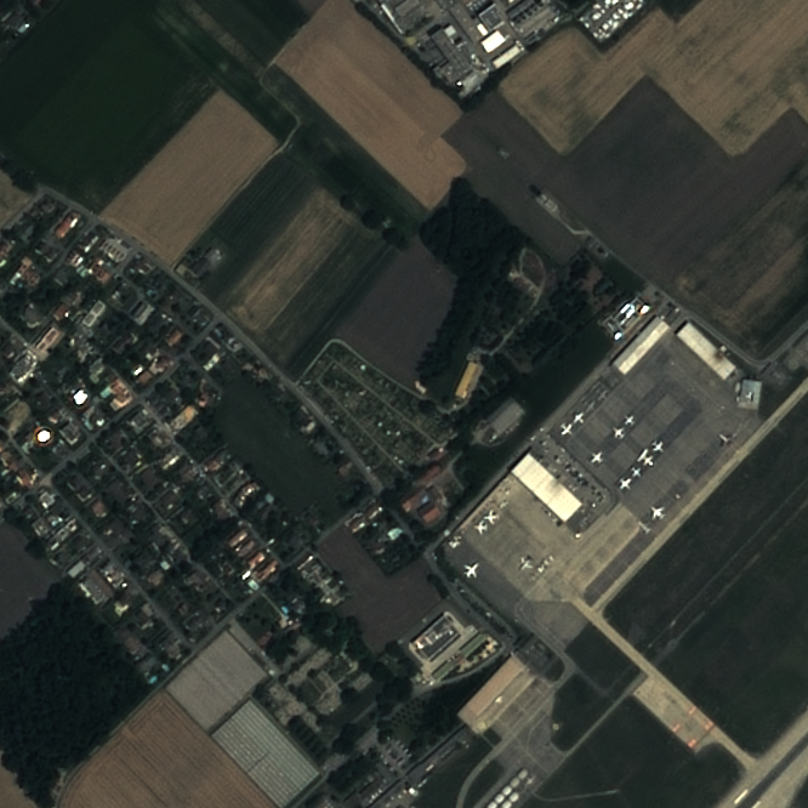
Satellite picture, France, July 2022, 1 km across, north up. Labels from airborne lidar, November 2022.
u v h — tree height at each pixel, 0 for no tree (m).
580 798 0
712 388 0
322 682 0
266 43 0
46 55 0
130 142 0
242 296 0
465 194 22
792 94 0
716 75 0
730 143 0
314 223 0
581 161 0
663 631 0
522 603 0
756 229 0
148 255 0
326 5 0
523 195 0
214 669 0
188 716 0
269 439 0
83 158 0
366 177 0
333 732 0
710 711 0
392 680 12
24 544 0
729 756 0
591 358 0
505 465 0
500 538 0
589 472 0
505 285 10
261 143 0
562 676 0
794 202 0
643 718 0
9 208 0
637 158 0
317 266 0
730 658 0
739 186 0
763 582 0
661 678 0
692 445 0
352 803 0
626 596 0
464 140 0
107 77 0
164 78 0
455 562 0
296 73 0
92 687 32
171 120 0
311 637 13
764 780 0
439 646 0
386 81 0
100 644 11
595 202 0
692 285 0
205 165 0
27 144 0
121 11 0
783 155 0
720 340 0
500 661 5
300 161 0
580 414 0
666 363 0
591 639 0
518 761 0
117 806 0
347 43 0
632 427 0
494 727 0
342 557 0
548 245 0
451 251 26
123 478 6
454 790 0
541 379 0
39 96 0
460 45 0
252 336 0
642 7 0
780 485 0
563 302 16
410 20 0
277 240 0
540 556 0
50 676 35
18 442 7
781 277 0
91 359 12
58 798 0
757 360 0
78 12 0
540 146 0
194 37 0
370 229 13
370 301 0
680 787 0
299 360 0
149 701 0
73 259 0
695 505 0
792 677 0
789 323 0
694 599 0
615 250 0
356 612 0
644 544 0
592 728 0
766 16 0
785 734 0
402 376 0
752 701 0
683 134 0
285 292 0
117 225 0
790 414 0
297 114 0
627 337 0
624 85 0
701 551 0
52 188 0
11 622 0
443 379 20
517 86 0
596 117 0
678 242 0
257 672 0
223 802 0
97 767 0
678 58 0
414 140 0
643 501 0
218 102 0
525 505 0
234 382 0
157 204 0
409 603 0
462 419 8
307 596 7
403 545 7
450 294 0
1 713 8
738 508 0
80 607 23
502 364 18
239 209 0
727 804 0
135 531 8
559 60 0
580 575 0
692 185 0
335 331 0
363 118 0
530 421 0
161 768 0
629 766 0
